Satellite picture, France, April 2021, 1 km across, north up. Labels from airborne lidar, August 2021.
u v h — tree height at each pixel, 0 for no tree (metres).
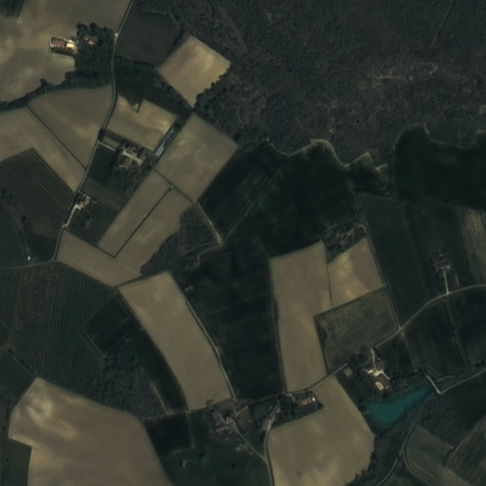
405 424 23
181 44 14
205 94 12
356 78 9
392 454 0
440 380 0
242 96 12
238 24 10
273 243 0
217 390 0
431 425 19
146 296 0
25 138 0
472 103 14
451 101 11
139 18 0
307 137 6
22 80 0
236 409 0
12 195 6
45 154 0
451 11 9
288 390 0
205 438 0
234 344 0
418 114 18
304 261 0
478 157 0
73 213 6
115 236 0
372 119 9
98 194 0
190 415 0
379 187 0
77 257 0
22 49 0
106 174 0
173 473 0
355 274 0
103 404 14
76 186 0
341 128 11
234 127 17
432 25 11
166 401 0
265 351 0
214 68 0
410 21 14
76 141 0
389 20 16
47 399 0
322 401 0
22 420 0
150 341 0
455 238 0
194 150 0
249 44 12
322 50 11
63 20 0
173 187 0
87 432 0
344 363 0
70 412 0
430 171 0
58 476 0
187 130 0
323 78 9
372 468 6
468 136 11
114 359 6
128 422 0
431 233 0
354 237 9
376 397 11
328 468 0
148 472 0
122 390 21
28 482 0
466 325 0
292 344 0
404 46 11
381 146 10
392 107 12
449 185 0
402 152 0
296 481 0
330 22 9
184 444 0
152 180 0
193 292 0
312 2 16
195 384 0
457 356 0
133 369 18
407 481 0
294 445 0
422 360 0
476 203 0
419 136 0
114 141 0
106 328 0
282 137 7
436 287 0
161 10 15
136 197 0
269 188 0
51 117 0
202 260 0
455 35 11
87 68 17
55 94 0
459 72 6
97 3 0
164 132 0
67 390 0
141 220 0
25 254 0
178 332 0
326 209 0
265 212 0
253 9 10
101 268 0
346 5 15
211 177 0
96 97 0
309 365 0
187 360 0
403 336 0
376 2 15
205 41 14
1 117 0
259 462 0
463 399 0
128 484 0
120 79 0
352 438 0
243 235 0
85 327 0
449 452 6
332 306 0
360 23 14
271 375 0
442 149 0
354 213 0
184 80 0
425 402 17
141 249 0
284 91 7
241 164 0
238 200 0
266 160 0
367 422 0
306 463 0
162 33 0
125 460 0
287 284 0
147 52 0
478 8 11
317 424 0
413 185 0
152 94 0
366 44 14
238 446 0
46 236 0
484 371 0
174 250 17
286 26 7
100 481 0
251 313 0
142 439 0
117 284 0
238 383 0
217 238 0
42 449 0
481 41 12
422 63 6
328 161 0
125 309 0
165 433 0
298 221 0
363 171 0
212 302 0
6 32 0
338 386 0
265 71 11
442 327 0
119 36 0
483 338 0
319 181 0
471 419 0
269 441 0
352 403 0
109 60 19
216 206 0
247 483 0
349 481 0
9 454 0
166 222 0
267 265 0
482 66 13
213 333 0
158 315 0
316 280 0
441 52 9
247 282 0
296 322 0
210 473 0
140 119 0
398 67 11
